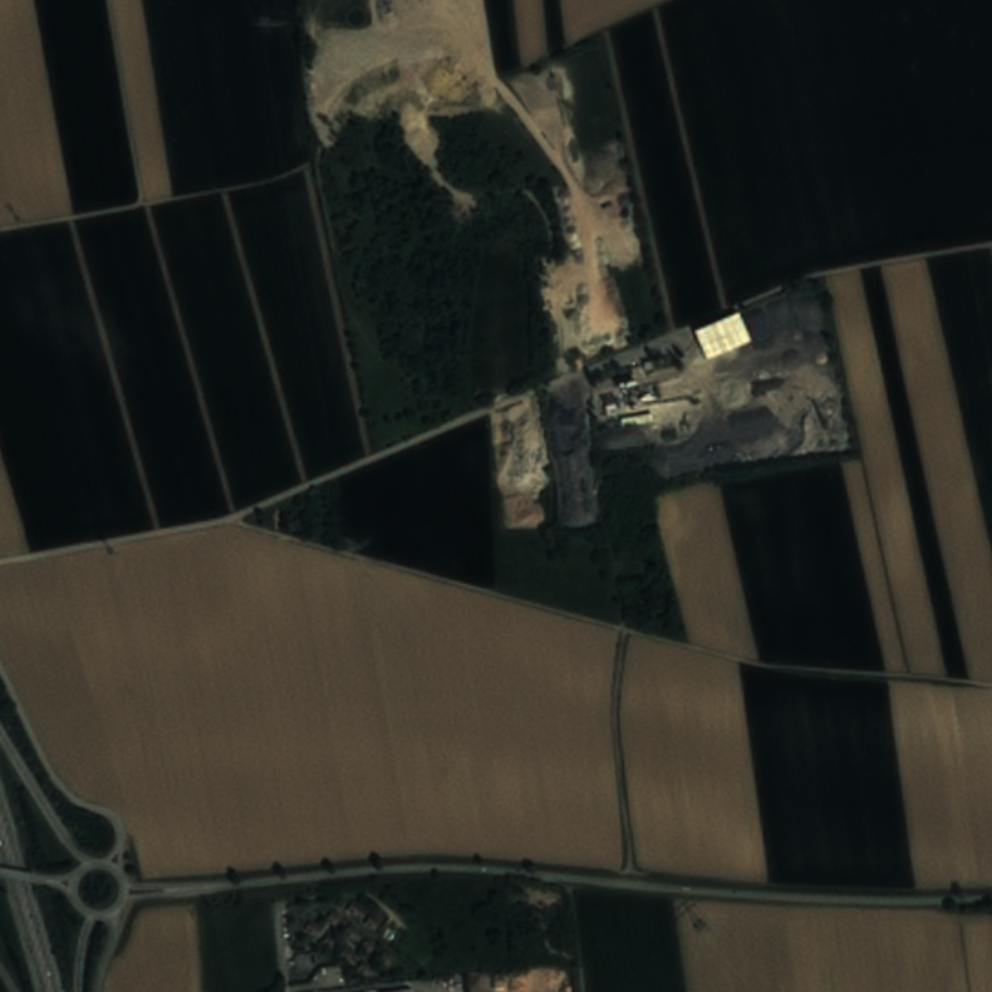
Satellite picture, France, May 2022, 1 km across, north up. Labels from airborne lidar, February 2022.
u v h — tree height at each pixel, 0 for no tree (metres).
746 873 0
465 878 0
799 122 0
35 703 0
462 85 0
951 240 0
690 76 0
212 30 0
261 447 0
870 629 0
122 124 0
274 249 0
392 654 0
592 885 0
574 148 0
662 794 0
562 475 0
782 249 0
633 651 0
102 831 7
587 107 0
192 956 0
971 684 0
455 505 0
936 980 0
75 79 0
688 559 0
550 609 0
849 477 0
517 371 0
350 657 0
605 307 0
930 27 0
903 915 0
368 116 0
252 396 0
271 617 0
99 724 0
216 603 0
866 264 0
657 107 0
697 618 0
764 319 0
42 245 0
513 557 0
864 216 0
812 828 0
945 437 0
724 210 0
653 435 0
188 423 0
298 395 0
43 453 0
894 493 0
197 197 0
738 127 0
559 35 0
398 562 0
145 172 0
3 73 0
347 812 0
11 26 0
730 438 0
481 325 0
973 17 0
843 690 0
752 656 0
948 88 0
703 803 0
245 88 0
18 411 0
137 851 0
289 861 0
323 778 0
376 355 0
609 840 0
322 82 0
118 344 0
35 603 0
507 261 0
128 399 0
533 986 0
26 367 0
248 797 0
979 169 0
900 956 0
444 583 0
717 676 0
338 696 0
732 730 0
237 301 0
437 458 0
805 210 0
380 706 0
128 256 0
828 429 0
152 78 0
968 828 0
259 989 0
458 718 0
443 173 12
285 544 0
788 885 0
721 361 0
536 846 0
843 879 0
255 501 0
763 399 0
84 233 0
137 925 0
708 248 0
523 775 0
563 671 0
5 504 0
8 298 0
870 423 0
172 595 0
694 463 0
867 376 0
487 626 0
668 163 0
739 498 0
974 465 0
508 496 0
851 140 0
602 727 0
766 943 0
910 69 0
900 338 0
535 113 0
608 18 0
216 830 0
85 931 0
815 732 0
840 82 0
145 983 0
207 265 0
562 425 0
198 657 0
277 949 0
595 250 0
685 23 0
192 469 0
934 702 0
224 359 0
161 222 0
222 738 0
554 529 12
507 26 0
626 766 0
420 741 0
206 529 0
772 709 0
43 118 0
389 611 0
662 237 0
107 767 0
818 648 0
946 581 0
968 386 0
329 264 0
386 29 0
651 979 0
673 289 0
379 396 0
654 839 0
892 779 0
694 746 0
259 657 0
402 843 0
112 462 0
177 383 0
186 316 0
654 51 0
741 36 0
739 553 0
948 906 11
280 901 0
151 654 0
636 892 0
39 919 0
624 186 0
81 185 0
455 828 0
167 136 0
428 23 0
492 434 0
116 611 0
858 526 0
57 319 0
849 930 0
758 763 0
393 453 0
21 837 0
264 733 0
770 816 0
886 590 0
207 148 0
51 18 0
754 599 0
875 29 0
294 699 0
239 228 0
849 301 0
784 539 0
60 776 0
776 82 0
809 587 0
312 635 0
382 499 0
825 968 0
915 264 0
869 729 0
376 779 0
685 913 0
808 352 0
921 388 0
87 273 0
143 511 0
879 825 0
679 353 16
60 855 0
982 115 0
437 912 0
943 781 0
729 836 0
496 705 0
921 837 0
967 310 0
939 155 0
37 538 0
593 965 0
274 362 0
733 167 0
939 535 0
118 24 0
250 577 0
